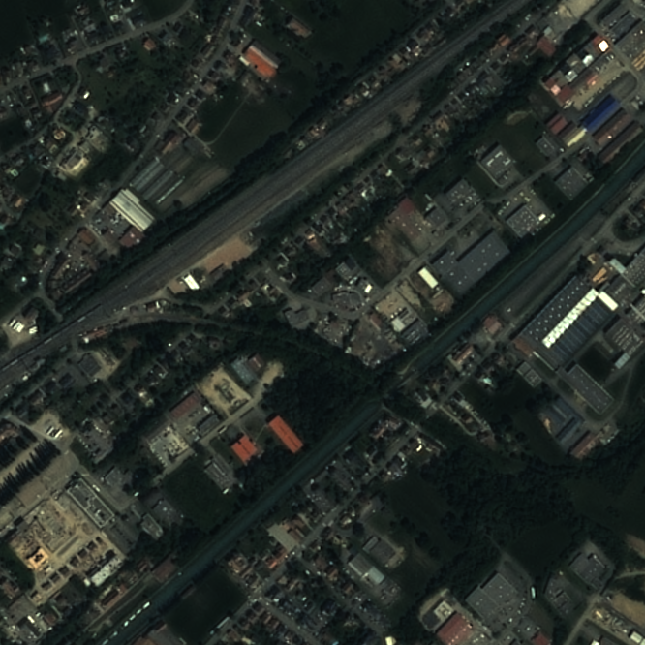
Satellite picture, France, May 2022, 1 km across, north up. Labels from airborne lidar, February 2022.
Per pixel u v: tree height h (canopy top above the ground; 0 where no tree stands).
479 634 0
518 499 20
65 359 0
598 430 0
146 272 0
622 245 0
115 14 0
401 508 0
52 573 0
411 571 0
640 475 0
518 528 7
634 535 0
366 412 0
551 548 0
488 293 0
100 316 0
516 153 0
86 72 0
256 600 0
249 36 0
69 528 0
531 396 0
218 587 0
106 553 0
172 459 13
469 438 0
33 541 0
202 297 9
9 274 15
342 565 0
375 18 0
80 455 0
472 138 19
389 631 0
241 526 0
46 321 8
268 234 0
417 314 0
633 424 0
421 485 0
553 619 0
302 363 9
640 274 0
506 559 0
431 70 0
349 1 0
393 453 0
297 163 0
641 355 0
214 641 0
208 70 0
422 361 0
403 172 0
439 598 0
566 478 10
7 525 0
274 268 0
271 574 0
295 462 0
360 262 6
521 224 0
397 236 0
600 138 0
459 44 0
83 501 0
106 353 0
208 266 0
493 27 8
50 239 16
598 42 0
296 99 0
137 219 0
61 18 0
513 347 0
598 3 0
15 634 0
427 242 0
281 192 0
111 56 0
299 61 0
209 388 0
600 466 17
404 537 0
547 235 0
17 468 0
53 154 0
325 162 0
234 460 7
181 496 0
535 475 16
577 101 0
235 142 0
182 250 0
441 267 0
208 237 0
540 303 0
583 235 0
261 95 0
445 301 0
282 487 0
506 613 0
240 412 0
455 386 0
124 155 8
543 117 0
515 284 0
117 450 17
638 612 0
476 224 0
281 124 0
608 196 0
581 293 0
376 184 0
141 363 13
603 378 0
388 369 6
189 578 0
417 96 0
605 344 0
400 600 0
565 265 0
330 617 0
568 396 0
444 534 0
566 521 9
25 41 0
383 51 9
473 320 0
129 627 0
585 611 0
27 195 0
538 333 0
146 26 0
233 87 0
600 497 0
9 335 0
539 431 0
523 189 0
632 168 0
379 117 0
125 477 0
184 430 0
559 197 0
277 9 0
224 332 8
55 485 0
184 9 0
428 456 0
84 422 0
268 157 19
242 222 0
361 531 21
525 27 0
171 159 0
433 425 0
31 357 0
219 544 0
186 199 0
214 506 0
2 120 0
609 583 6
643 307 0
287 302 0
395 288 0
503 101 14
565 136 0
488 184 0
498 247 0
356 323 7
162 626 0
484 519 11
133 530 0
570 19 0
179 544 13
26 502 0
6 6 0
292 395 17
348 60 0
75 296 13
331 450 0
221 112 0
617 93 0
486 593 0
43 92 0
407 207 0
